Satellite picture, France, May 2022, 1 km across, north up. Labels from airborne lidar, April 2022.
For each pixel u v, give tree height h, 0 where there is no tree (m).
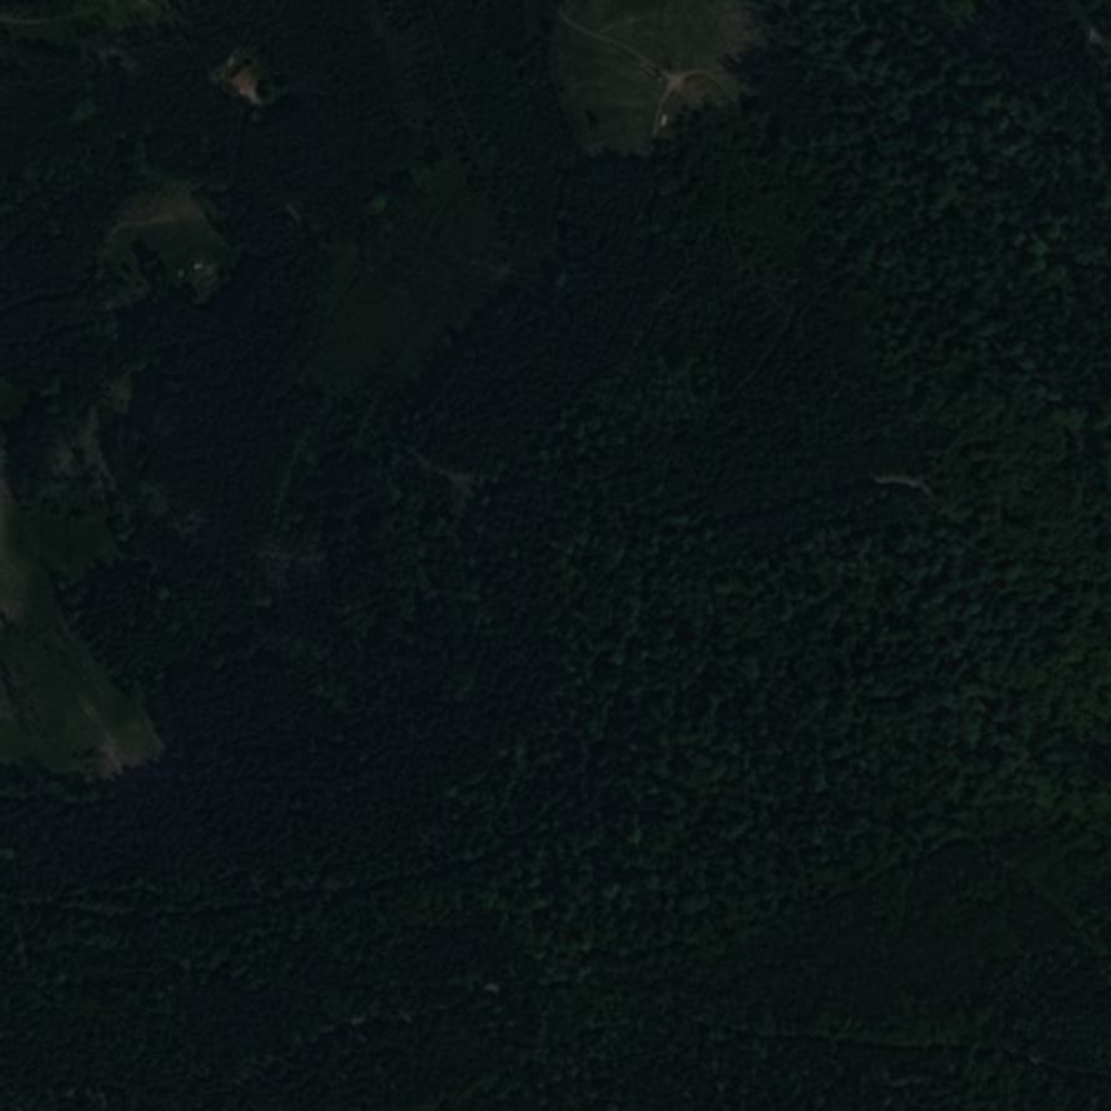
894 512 21
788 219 10
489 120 11
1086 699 25
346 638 31
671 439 7
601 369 27
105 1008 20
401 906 17
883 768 27
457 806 23
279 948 23
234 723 29
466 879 22
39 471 34
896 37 34
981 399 36
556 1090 31
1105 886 19
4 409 0
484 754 29
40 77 24
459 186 0
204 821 31
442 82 7
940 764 10
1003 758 29
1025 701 22
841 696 28
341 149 29
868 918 16
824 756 22
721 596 10
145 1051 20
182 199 31
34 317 36
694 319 6
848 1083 26
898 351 22
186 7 28
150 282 29
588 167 19
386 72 27
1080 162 16
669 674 20
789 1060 26
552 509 32
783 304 6
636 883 18
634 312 23
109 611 26
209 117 35
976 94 36
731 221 7
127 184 21
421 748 32
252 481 31
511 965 24
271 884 18
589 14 0
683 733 35
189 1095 25
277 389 31
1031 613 18
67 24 0
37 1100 22
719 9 0
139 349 26
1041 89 28
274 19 31
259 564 33
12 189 29
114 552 0
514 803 19
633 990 14
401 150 30
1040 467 29
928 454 10
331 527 39
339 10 33
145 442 31
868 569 31
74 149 22
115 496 23
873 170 35
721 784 13
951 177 38
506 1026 24
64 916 22
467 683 27
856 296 10
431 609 32
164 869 27
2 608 0
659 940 25
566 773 18
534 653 28
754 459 11
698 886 18
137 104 35
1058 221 11
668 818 32
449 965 24
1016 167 22
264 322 29
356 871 22
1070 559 27
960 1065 24
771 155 18
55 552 0
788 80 26
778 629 20
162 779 29
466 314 0
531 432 21
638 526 11
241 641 24
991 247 19
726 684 33
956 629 31
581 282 23
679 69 0
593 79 0
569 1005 24
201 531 32
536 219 6
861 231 16
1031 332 21
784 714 17
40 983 23
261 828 32
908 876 14
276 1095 29
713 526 18
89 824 28
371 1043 29
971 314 32
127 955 20
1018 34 30
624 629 17
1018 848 19
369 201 25
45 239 37
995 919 15
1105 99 29
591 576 15
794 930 14
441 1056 25
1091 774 19
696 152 12
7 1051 20
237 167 34
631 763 33
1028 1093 19
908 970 19
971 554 22
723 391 9
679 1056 25
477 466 23
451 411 23
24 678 0
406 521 9
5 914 19
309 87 25
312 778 33
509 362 24
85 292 30
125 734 0
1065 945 18
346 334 0
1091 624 31
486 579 28
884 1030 16
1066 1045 18
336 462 8
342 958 19
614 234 22
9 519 0
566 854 19
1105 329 22
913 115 28
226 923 18
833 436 6
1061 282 7
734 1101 24
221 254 0
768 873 19
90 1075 20
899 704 11
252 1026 23
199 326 30
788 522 22
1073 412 33
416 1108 22
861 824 19
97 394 26
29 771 0
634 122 0
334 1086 29
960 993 15
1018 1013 22
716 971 15
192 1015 20
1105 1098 22
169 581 28
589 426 22
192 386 27
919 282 17
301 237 17
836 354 8
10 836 30
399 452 21
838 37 19
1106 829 16
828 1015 16
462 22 8
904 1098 25
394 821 32
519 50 8
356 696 31
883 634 30
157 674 12
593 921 11
